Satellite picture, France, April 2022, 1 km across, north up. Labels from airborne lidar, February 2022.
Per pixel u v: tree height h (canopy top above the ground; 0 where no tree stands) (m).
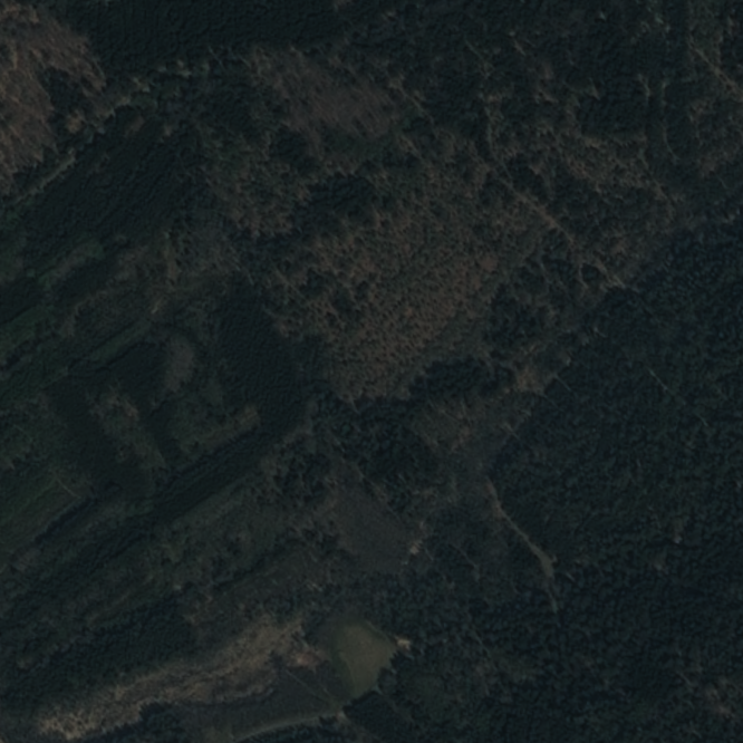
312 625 9
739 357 12
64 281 25
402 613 26
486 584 14
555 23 16
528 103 13
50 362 11
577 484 31
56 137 21
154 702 0
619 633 25
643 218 7
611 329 11
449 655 23
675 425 11
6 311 8
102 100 25
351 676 0
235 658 0
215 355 12
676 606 28
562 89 17
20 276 13
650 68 10
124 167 9
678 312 9
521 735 24
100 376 19
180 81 23
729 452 26
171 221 24
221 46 19
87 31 28
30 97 25
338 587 10
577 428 8
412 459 18
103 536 17
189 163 22
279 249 28
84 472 17
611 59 23
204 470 20
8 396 12
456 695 19
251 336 18
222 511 17
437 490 16
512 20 20
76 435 8
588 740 20
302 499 10
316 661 0
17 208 10
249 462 18
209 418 14
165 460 11
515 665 12
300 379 15
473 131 11
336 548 16
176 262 0
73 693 18
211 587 24
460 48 21
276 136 12
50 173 7
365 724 20
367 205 24
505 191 12
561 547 15
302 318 10
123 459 10
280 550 13
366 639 0
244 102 16
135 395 16
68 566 17
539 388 0
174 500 13
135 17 12
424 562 6
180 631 26
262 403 18
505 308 29
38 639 22
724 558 25
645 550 26
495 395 31
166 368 15
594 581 34
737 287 14
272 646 0
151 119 8
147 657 19
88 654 22
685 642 23
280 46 20
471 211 11
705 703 18
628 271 19
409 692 7
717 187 11
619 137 30
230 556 13
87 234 16
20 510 13
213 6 20
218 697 0
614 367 8
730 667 25
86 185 11
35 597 19
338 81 12
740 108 10
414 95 17
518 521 11
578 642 30
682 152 10
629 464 11
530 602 23
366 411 24
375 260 12
